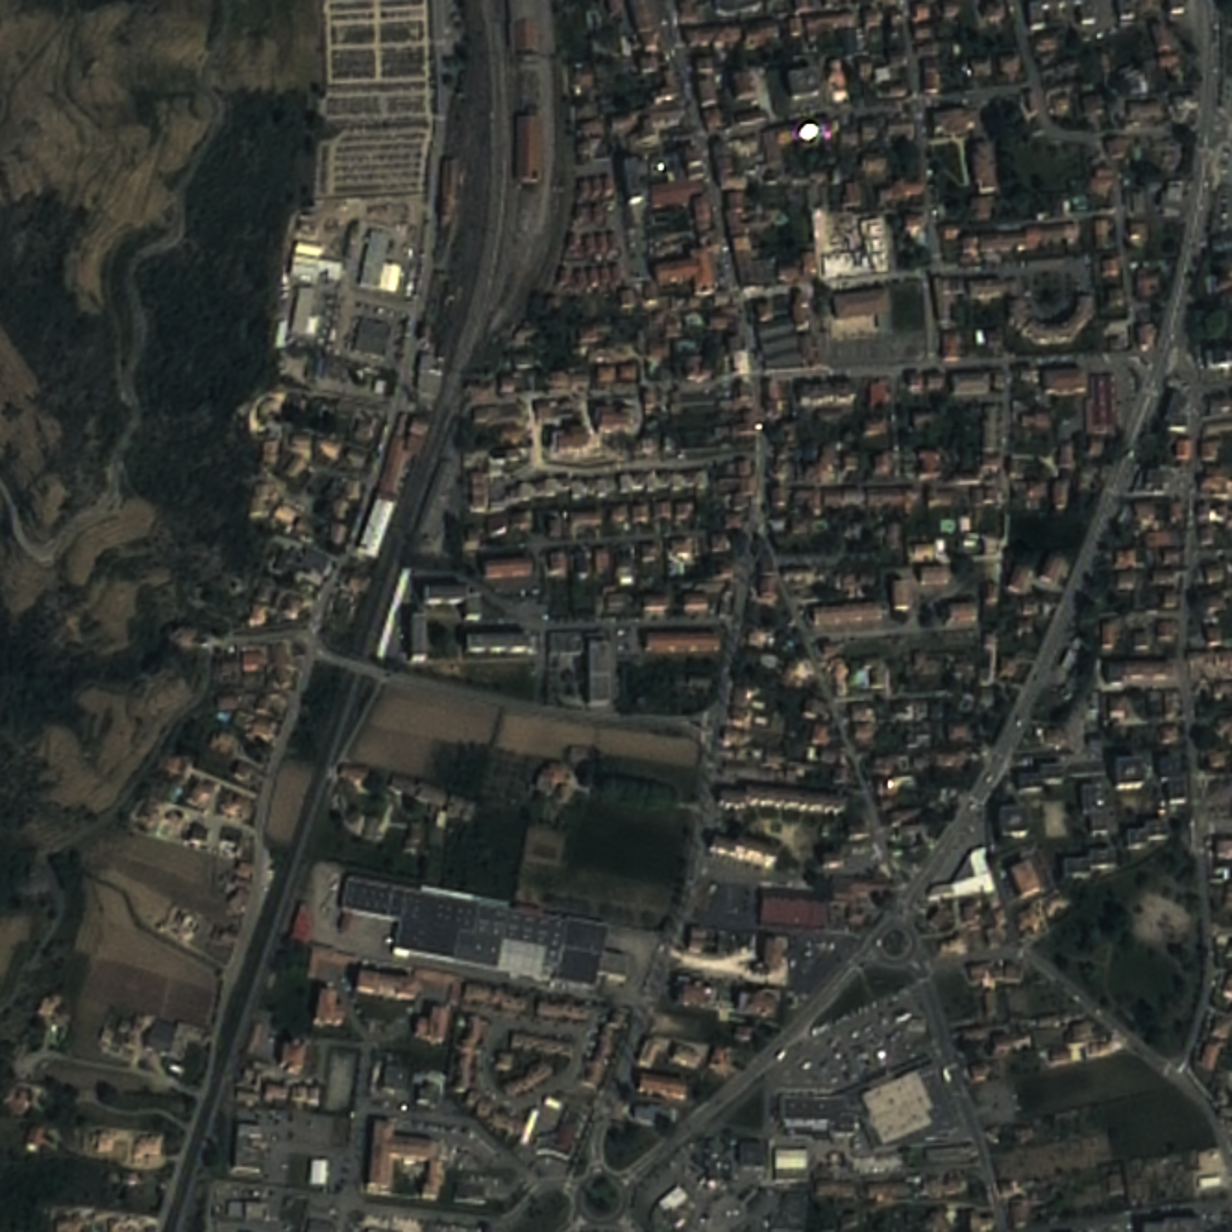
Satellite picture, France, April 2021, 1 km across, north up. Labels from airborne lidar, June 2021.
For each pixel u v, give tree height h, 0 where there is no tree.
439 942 0
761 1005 0
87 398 6
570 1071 0
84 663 15
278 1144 0
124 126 0
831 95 0
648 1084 0
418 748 0
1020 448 8
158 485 7
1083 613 14
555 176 0
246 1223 0
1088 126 9
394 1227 0
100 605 0
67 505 7
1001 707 15
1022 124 18
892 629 0
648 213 7
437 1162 0
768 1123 0
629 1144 6
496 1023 0
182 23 0
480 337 0
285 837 0
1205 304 12
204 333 6
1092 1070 0
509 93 0
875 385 0
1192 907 14
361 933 0
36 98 0
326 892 0
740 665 9
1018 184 11
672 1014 0
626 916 9
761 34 0
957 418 7
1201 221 0
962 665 0
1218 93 0
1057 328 0
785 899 0
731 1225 0
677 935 15
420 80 0
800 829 0
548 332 9
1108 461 7
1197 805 0
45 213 6
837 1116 0
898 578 0
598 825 0
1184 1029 10
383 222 0
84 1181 0
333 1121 0
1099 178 0
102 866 0
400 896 0
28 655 10
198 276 7
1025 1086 0
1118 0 0
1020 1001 0
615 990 0
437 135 0
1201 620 11
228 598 6
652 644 0
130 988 0
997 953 0
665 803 15
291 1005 0
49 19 0
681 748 0
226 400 8
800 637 10
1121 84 15
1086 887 9
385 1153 0
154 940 0
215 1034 0
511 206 0
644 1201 0
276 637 0
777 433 15
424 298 0
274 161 7
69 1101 7
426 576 15
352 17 0
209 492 6
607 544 0
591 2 12
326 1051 0
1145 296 6
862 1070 0
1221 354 0
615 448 6
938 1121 0
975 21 0
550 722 0
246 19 0
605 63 9
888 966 0
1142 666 0
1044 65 8
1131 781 0
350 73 0
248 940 0
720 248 0
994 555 0
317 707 6
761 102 0
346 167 0
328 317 7
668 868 0
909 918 0
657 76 9
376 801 10
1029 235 0
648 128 0
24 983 6
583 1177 0
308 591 0
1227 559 6
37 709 12
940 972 0
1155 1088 0
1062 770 0
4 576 0
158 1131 9
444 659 8
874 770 8
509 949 0
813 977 0
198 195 9
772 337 0
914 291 0
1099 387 0
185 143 0
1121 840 7
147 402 6
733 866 0
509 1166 0
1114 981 0
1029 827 0
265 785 0
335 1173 0
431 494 0
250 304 6
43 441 0
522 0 0
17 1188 7
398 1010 0
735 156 7
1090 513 16
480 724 0
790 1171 0
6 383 0
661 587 7
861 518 14
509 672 0
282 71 0
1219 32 0
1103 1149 0
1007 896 0
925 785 13
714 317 0
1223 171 0
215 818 0
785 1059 0
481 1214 0
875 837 0
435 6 0
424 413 14
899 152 13
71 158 0
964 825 0
